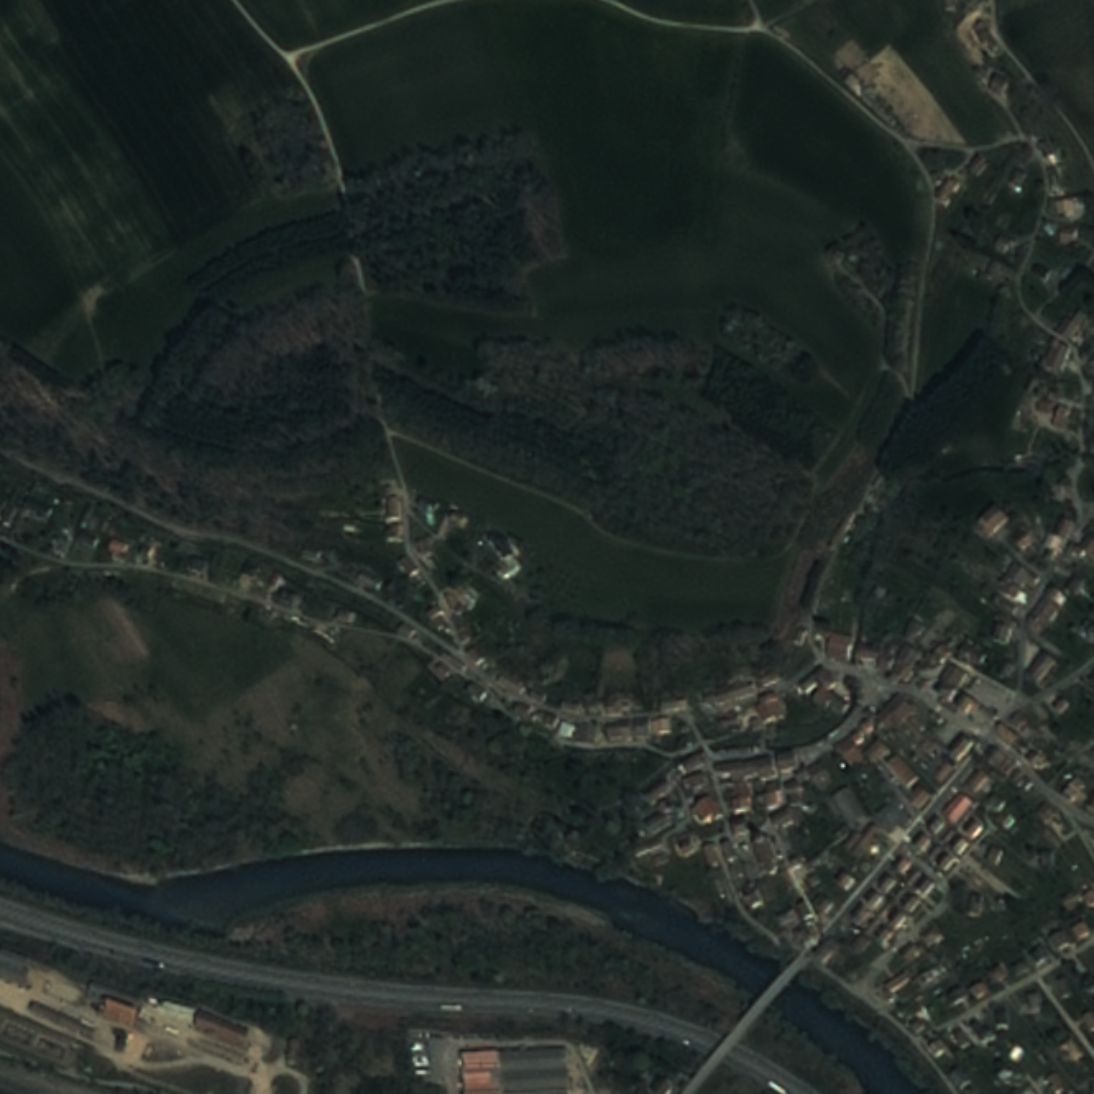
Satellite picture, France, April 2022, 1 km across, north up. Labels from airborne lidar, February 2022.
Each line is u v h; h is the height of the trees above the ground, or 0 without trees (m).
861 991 0
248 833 14
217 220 0
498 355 19
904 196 0
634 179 0
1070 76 0
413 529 0
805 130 0
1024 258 8
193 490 25
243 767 0
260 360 21
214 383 28
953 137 0
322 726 0
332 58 0
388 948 15
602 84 0
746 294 0
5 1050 0
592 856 0
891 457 25
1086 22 0
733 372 11
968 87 0
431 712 0
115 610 0
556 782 0
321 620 0
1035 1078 0
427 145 0
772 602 0
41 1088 0
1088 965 0
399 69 0
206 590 0
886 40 0
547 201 29
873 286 14
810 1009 0
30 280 0
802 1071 0
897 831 0
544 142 0
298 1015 7
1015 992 0
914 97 0
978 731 0
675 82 0
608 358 23
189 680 0
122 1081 0
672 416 19
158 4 0
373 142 0
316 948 14
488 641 0
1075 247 8
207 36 0
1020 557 0
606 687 0
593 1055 0
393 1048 9
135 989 14
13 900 0
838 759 10
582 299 0
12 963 0
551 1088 0
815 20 0
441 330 0
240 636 0
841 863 0
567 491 17
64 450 28
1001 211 0
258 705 0
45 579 0
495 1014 0
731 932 22
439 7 0
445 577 0
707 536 19
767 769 0
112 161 0
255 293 0
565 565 0
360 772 0
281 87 0
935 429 25
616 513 20
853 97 0
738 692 0
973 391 26
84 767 21
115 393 19
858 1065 0
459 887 0
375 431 18
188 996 12
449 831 0
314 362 20
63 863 0
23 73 0
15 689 9
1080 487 0
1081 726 0
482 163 15
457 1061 0
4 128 0
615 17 0
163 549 0
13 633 0
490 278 24
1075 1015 0
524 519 0
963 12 0
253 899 0
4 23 0
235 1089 0
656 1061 7
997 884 0
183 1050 0
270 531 14
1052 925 0
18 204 0
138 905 0
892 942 0
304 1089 0
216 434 21
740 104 0
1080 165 0
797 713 0
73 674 0
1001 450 0
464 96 0
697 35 0
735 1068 0
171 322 0
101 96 0
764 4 0
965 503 0
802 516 14
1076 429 0
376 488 0
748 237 0
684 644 21
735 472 16
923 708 0
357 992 0
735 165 0
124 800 17
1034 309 0
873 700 0
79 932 0
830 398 0
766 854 0
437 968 18
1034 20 0
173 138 0
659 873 0
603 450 17
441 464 0
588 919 0
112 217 0
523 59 0
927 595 0
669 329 0
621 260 0
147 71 0
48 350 0
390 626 0
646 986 15
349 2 0
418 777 8
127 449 25
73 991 0
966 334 0
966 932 0
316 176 24
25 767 18
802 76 0
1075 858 0
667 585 0
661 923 0
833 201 0
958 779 0
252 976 0
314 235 10
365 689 0
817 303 0
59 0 0
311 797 0
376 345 19
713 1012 8
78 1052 0
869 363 0
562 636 23
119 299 0
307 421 20
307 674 0
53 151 0
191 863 16
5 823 0
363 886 0
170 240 0
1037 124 0
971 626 0
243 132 0
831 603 0
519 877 0
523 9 0
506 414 8
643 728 0
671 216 0
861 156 0
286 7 0
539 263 16
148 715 0
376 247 23
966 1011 0
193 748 0
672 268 0
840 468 0
